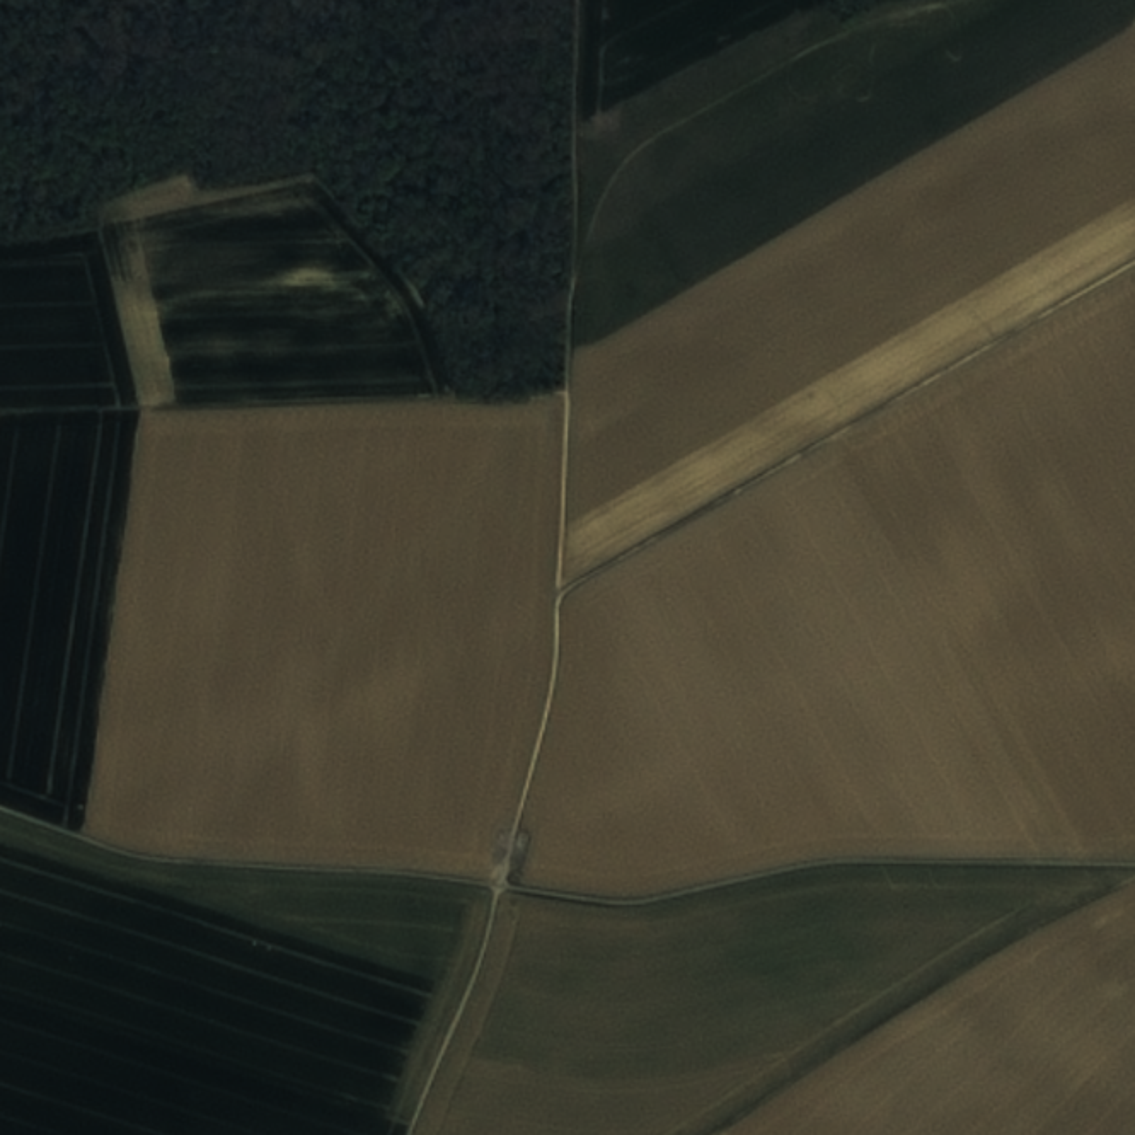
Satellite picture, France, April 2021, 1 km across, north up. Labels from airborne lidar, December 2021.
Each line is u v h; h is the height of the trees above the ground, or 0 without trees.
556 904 0
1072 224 0
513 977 0
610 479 0
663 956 0
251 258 0
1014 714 0
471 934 0
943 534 0
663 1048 0
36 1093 0
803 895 0
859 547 0
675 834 0
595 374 0
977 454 0
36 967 0
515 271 22
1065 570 0
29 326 0
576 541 0
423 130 22
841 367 0
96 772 0
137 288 0
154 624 0
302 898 0
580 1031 0
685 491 0
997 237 0
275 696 0
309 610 0
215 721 0
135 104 22
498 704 0
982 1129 0
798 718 0
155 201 0
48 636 0
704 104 0
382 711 0
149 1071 0
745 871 0
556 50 19
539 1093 0
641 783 0
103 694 0
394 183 7
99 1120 0
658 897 0
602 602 0
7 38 25
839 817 0
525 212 27
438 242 10
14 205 21
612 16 0
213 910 0
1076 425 0
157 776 0
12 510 0
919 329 0
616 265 0
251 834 0
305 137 18
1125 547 0
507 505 0
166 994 0
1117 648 0
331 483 0
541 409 0
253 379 0
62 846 0
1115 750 0
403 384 0
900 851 0
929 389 0
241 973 0
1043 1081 0
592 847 0
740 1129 0
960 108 0
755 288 0
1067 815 0
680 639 0
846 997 0
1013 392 0
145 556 0
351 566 0
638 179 0
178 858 0
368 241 16
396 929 0
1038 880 0
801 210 0
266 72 24
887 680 0
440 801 0
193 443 0
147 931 0
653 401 0
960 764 0
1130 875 0
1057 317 0
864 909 0
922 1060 0
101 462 0
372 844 0
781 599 0
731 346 0
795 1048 0
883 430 0
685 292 0
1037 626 0
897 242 0
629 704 0
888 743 0
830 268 0
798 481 0
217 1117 0
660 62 0
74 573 0
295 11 16
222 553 0
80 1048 0
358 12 20
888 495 0
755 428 0
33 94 33
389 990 0
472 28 26
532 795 0
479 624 0
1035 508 0
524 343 21
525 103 25
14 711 0
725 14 0
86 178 20
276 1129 0
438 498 0
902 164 0
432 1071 0
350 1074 0
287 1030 0
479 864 0
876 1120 0
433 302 15
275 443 0
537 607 0
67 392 0
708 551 0
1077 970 0
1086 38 0
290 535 0
